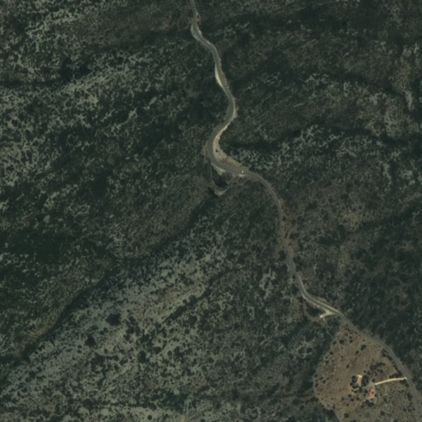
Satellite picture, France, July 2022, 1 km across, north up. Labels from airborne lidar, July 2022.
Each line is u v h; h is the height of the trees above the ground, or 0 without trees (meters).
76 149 0
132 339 0
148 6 0
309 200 0
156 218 0
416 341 0
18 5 0
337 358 0
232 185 0
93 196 0
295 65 0
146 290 0
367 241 0
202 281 0
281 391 0
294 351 0
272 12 0
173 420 0
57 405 0
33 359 0
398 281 0
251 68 0
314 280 0
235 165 0
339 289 0
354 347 0
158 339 0
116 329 0
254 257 0
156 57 0
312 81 0
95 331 0
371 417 0
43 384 0
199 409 0
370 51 0
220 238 0
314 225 0
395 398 0
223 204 0
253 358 0
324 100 0
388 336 0
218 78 0
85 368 0
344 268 0
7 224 0
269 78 0
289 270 0
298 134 7
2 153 0
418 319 0
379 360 0
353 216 0
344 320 0
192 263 0
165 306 0
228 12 0
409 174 0
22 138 0
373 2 0
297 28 0
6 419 0
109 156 0
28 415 0
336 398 0
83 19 0
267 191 0
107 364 0
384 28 0
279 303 0
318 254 0
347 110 0
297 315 0
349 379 0
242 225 0
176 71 0
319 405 0
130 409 0
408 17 0
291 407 0
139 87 0
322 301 0
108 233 0
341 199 0
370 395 0
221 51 0
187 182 0
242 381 0
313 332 0
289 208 0
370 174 0
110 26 0
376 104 0
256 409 0
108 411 0
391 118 0
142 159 0
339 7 0
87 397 0
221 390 0
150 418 6
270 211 0
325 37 0
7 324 0
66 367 0
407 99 0
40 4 0
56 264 0
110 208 0
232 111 0
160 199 0
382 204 0
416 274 0
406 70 0
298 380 0
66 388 0
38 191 0
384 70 0
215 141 0
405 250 0
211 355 0
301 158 0
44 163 0
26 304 0
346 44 0
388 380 0
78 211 0
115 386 0
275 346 0
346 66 0
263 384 0
